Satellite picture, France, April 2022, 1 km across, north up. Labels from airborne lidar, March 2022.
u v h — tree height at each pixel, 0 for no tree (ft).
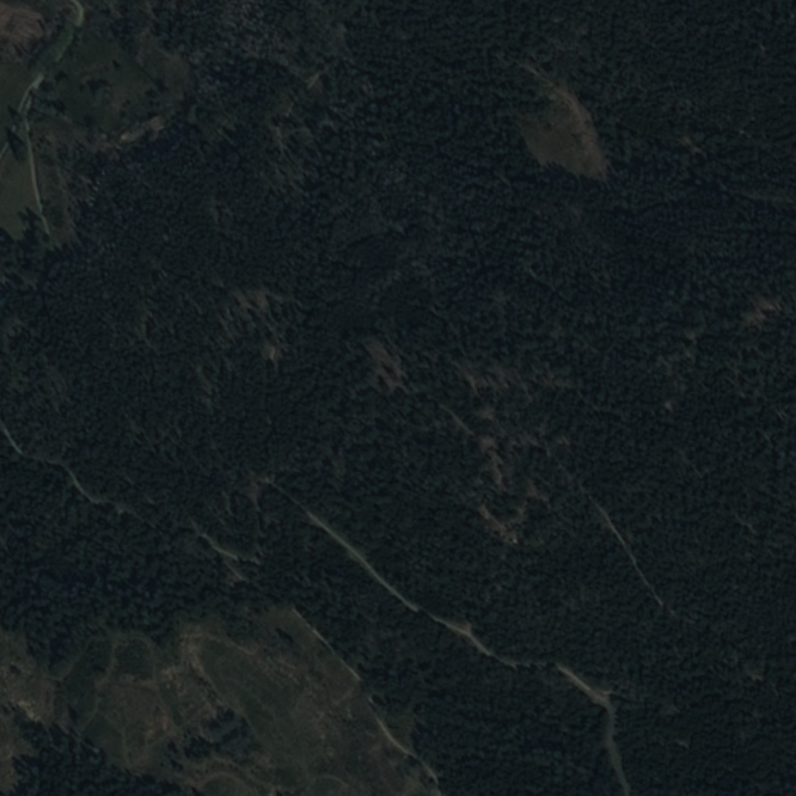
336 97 97
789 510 89
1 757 0
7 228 0
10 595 87
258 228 83
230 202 88
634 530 73
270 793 0
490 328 99
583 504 93
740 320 53
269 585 38
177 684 0
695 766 45
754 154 58
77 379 108
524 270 95
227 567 111
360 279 49
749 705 47
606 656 62
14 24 0
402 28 85
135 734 0
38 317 88
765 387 84
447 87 80
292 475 45
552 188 78
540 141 0
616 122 109
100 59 0
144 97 0
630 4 68
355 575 46
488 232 79
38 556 111
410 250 61
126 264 86
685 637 52
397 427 88
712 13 35
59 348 89
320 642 0
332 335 69
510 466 94
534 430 31
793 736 74
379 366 75
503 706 38
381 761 0
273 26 97
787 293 36
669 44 44
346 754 0
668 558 80
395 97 118
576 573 68
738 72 49
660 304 50
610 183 0
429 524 43
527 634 54
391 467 54
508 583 89
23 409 58
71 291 78
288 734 0
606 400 104
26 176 0
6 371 104
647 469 72
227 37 73
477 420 40
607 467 71
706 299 108
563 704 65
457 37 85
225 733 68
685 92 79
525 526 23
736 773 36
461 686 32
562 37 77
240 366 73
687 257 93
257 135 95
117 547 132
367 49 117
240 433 71
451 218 67
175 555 41
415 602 45
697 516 84
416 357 94
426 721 82
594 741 58
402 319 31
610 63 72
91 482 60
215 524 80
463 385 91
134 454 71
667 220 76
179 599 107
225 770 0
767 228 80
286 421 59
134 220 83
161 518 77
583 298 65
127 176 89
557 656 62
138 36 95
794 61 75
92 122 0
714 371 43
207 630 0
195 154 96
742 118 34
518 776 52
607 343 47
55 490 99
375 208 63
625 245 94
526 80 37
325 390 56
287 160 93
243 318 79
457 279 73
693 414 63
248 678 0
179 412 78
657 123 37
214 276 85
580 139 0
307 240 79
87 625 96
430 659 58
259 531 85
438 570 34
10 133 0
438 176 59
